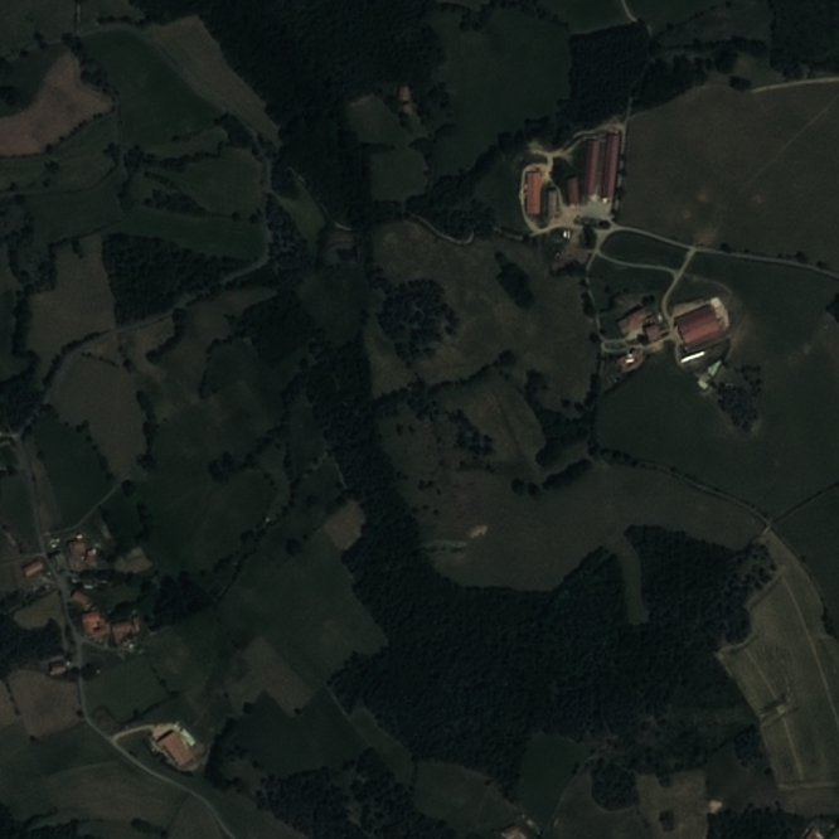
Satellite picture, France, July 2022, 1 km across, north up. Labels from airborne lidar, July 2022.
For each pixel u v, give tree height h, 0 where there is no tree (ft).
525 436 0
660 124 0
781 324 0
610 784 32
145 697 0
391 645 31
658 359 0
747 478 0
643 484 0
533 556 0
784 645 0
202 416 0
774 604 0
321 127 70
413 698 28
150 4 36
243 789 35
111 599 0
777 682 0
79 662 0
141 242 33
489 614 41
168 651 0
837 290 0
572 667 39
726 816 34
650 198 0
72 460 0
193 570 0
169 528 0
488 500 0
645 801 0
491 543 0
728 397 26
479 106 0
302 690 0
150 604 0
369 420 50
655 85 40
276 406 0
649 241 0
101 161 0
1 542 0
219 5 79
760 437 0
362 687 28
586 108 50
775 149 0
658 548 30
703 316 0
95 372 0
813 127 0
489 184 0
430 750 30
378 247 0
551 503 0
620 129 0
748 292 0
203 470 0
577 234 0
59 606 0
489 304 0
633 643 40
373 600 26
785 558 0
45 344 0
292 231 46
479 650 39
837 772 0
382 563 51
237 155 0
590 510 0
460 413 35
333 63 29
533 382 36
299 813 35
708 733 0
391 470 30
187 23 0
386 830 48
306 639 0
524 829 0
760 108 0
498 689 81
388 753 0
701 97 0
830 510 0
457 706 49
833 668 0
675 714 0
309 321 36
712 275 0
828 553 0
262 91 36
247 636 0
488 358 0
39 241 0
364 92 39
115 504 0
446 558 0
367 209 34
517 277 39
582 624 48
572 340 0
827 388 0
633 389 0
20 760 0
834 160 0
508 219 0
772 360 0
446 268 0
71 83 0
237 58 32
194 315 0
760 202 0
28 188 0
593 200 0
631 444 0
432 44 27
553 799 0
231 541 0
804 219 0
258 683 0
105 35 0
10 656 26
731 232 0
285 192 34
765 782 0
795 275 0
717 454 0
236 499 0
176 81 0
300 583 0
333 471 0
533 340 0
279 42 50
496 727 33
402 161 0
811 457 0
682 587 19
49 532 0
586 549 0
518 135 25
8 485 0
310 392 28
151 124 0
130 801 0
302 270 52
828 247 0
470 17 26
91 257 0
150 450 20
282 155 40
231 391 0
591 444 26
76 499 0
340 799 50
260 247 0
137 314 27
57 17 0
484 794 0
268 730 0
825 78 0
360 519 0
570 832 0
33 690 0
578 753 0
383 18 31
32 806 0
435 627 28
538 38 0
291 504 32
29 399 46
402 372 0
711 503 0
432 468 0
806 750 0
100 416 0
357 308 0
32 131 0
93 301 0
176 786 0
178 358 0
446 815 0
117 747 0
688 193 0
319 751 0
